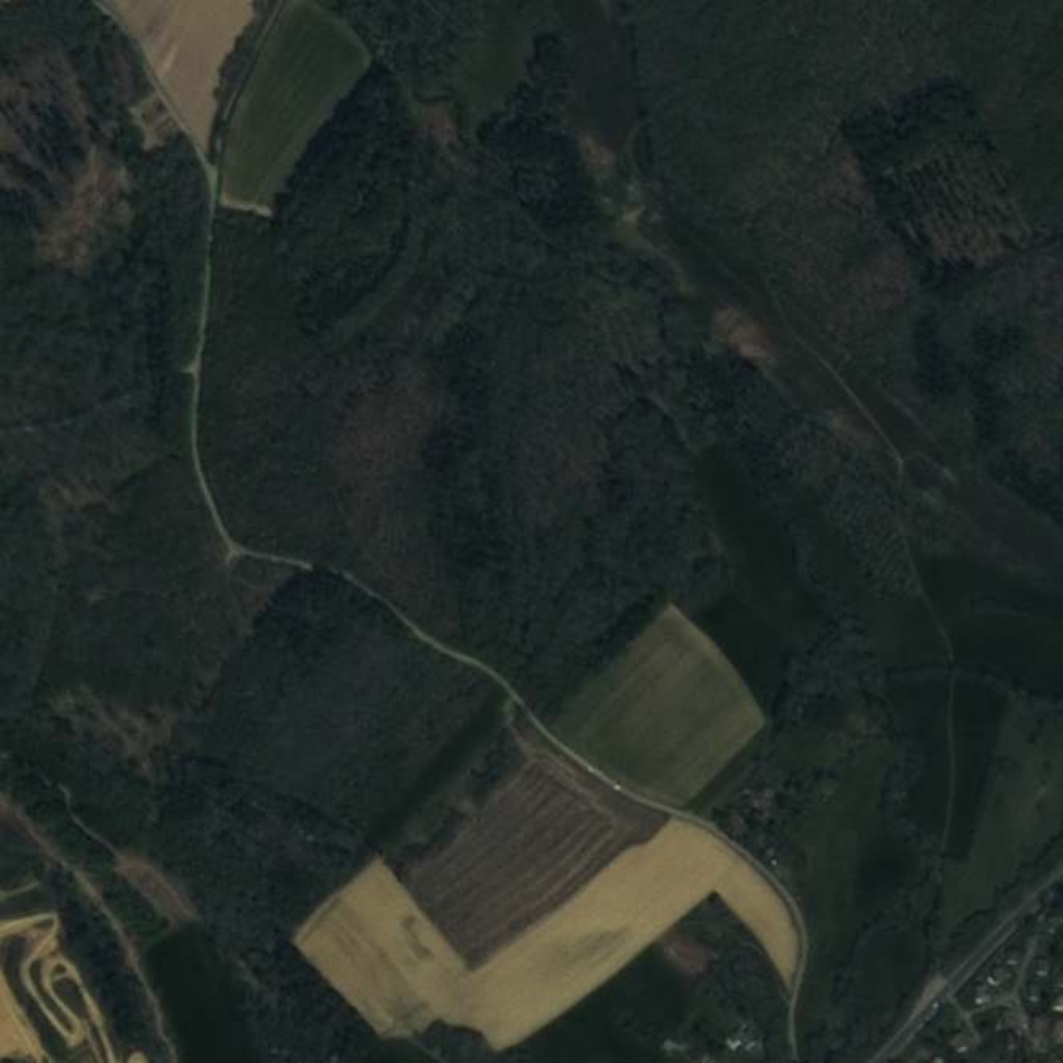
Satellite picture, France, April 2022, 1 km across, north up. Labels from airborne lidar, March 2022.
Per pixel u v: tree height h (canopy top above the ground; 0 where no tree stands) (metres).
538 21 21
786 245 0
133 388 25
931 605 0
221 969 0
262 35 15
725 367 20
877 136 27
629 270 27
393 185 26
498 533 20
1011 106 7
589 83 0
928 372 23
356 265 8
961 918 0
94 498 29
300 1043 13
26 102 0
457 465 19
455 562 20
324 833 29
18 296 21
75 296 30
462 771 0
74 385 27
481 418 22
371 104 19
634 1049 0
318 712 0
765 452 21
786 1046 9
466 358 21
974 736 0
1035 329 24
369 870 15
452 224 22
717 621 0
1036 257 22
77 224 0
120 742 0
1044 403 22
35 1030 0
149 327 24
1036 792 0
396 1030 0
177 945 0
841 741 0
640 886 0
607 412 28
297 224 23
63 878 9
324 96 0
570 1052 0
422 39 34
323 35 0
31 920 0
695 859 0
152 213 16
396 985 0
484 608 18
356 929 0
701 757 0
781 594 0
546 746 0
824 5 14
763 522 0
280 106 0
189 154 16
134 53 23
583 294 27
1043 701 14
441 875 0
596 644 9
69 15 24
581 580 22
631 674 0
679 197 21
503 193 21
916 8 14
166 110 7
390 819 0
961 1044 0
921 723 0
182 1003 0
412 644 16
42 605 29
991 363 26
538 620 20
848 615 19
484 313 20
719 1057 10
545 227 32
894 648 0
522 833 0
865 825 0
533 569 22
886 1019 0
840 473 30
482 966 0
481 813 0
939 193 8
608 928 0
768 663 0
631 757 0
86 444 29
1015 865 0
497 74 0
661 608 17
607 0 0
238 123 0
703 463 0
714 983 15
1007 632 0
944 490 0
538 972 0
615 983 0
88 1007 0
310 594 26
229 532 7
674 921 0
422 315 0
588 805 0
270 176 0
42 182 27
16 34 26
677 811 0
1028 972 0
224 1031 0
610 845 0
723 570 25
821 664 19
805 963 0
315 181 28
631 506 22
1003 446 22
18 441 28
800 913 0
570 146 21
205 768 21
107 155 29
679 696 0
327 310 9
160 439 27
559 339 20
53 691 15
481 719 0
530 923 0
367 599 19
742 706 0
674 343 20
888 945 0
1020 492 22
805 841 0
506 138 22
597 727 0
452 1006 0
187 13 0
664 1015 0
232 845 16
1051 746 0
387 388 6
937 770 0
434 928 0
